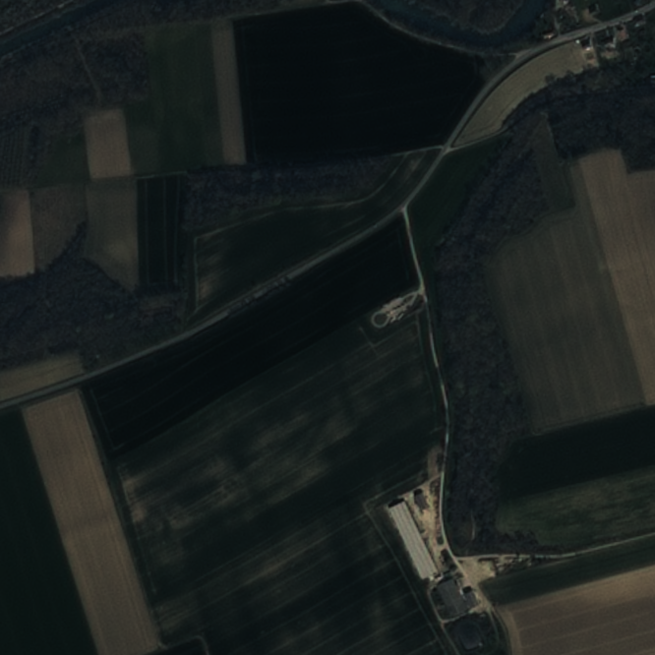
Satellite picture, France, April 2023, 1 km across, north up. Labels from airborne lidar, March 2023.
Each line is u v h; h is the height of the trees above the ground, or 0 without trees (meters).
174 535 0
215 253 0
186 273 11
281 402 0
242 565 0
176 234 0
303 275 0
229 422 0
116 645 0
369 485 0
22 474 0
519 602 0
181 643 0
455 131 0
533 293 0
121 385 0
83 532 0
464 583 0
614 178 0
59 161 0
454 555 0
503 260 0
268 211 0
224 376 0
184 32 0
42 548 0
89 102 21
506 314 0
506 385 21
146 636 0
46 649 0
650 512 0
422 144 0
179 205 0
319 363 0
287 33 0
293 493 0
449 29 0
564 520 0
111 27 35
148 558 0
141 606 0
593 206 0
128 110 0
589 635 0
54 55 24
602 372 0
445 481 0
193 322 0
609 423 0
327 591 0
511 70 0
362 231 0
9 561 0
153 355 0
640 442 0
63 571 0
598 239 0
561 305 0
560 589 0
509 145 8
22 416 0
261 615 0
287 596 0
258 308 0
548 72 0
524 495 0
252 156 0
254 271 0
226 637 0
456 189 0
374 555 0
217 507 0
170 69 0
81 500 0
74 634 0
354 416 0
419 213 0
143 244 0
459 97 0
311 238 0
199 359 0
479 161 0
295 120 0
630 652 0
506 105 0
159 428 0
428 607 0
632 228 0
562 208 0
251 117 0
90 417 0
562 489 0
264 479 0
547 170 0
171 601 0
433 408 0
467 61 0
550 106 13
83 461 0
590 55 0
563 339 0
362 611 0
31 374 0
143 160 0
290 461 0
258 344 0
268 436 0
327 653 0
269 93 0
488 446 15
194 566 0
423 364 0
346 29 0
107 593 0
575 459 0
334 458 0
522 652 0
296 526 0
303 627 0
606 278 0
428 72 0
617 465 0
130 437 0
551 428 0
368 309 0
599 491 0
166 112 0
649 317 0
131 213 0
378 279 0
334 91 0
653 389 0
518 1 19
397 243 0
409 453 0
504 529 0
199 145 0
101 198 0
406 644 0
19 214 0
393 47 0
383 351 0
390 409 0
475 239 9
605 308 0
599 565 0
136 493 0
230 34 0
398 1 0
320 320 0
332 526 0
